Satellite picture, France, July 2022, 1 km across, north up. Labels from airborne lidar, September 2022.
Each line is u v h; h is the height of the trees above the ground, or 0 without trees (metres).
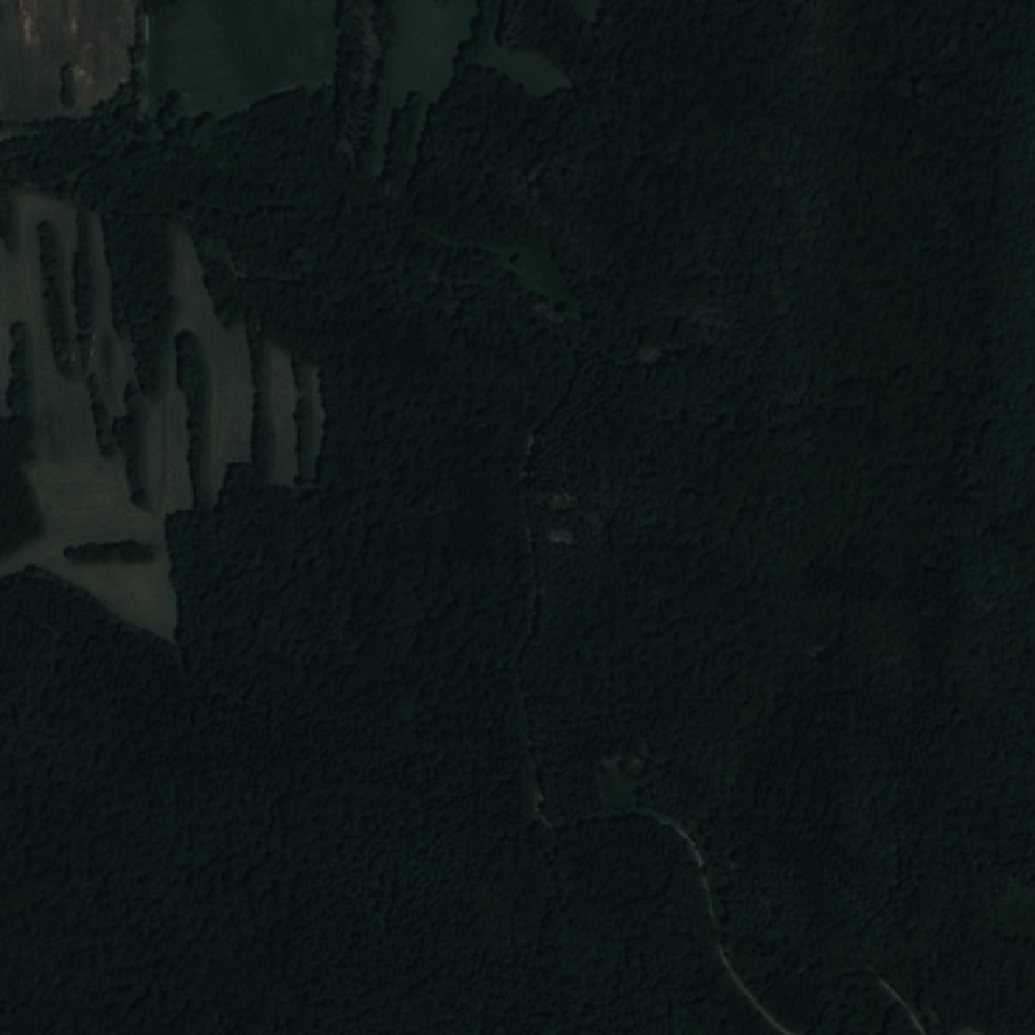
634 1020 20
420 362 15
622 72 16
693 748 14
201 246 15
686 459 22
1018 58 21
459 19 0
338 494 22
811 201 7
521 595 14
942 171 17
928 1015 15
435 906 25
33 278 0
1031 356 10
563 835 23
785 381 12
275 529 20
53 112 0
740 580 15
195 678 21
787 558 13
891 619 18
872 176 24
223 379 0
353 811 18
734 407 17
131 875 21
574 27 13
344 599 13
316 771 22
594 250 18
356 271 18
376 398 14
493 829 20
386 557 22
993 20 26
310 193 24
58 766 19
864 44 27
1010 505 13
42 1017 24
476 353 22
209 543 21
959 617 21
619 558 13
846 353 22
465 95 22
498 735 21
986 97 22
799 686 21
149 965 21
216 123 13
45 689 9
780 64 14
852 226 25
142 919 17
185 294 0
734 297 11
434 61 0
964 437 25
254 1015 24
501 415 13
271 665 20
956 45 20
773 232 9
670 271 15
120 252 16
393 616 25
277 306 13
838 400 23
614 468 13
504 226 14
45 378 0
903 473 24
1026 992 17
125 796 19
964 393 21
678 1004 19
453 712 20
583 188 22
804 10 13
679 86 16
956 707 15
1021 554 19
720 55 16
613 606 14
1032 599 12
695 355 18
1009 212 17
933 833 19
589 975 15
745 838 20
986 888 17
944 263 24
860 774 11
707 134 19
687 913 17
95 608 18
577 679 15
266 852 14
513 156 23
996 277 22
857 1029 22
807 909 26
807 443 18
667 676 15
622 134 19
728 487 23
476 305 22
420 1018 20
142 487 7
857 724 13
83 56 0
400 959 22
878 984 13
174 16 0
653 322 16
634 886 22
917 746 22
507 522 20
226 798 17
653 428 17
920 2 30
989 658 10
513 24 22
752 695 15
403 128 16
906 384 19
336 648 21
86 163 15
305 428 9
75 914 20
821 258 9
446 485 14
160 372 6
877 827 12
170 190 12
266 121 18
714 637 16
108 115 16
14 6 0
